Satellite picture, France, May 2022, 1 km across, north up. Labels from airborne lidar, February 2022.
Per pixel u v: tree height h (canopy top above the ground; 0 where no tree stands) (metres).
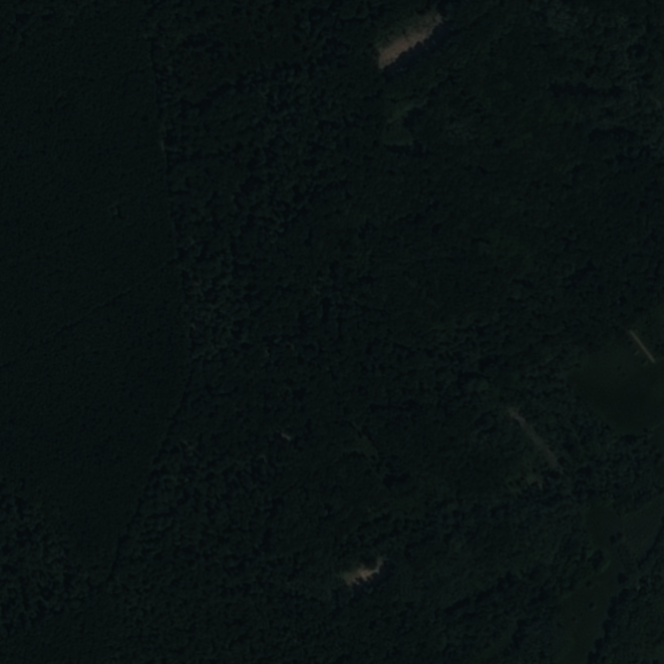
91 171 21
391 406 28
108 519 21
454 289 30
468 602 28
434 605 17
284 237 35
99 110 21
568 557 22
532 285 31
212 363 29
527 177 30
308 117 30
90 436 20
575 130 32
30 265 20
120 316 20
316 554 28
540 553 24
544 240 32
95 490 20
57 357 20
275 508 34
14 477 22
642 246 30
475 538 26
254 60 13
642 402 0
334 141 32
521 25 34
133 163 22
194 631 27
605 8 32
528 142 28
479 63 32
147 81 19
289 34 12
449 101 27
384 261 32
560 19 30
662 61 0
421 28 0
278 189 35
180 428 32
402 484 23
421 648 26
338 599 27
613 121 12
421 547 29
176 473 35
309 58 22
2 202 22
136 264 18
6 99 19
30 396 21
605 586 0
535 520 24
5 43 31
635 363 0
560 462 24
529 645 21
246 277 31
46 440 20
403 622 22
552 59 37
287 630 25
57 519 21
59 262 19
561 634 23
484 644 27
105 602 27
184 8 30
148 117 21
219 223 30
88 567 24
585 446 26
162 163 20
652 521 0
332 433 31
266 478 34
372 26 23
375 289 32
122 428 22
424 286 31
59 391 22
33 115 22
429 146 32
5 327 20
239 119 33
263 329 33
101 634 26
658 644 14
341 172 32
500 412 21
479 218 31
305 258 36
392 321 33
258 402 30
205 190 32
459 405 30
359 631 29
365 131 34
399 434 32
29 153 20
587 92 33
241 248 35
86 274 20
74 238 20
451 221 32
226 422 30
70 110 20
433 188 30
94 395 19
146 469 18
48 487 18
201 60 17
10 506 32
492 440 24
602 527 0
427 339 29
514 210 31
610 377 0
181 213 28
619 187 33
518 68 33
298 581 25
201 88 16
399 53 0
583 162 27
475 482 33
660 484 10
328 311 33
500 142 30
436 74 26
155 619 27
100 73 16
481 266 28
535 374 23
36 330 21
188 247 27
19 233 20
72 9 33
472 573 20
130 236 18
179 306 20
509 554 17
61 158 22
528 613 17
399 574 20
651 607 20
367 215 29
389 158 33
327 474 33
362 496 30
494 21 34
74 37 20
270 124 32
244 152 15
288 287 31
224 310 34
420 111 23
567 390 28
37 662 28
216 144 31
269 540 35
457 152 32
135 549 32
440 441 28
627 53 30
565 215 34
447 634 28
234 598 29
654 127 27
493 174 30
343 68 35
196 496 35
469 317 30
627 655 15
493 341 34
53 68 20
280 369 33
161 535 32
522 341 30
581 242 32
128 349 21
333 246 16
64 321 20
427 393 30
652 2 26
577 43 28
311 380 32
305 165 34
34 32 30
